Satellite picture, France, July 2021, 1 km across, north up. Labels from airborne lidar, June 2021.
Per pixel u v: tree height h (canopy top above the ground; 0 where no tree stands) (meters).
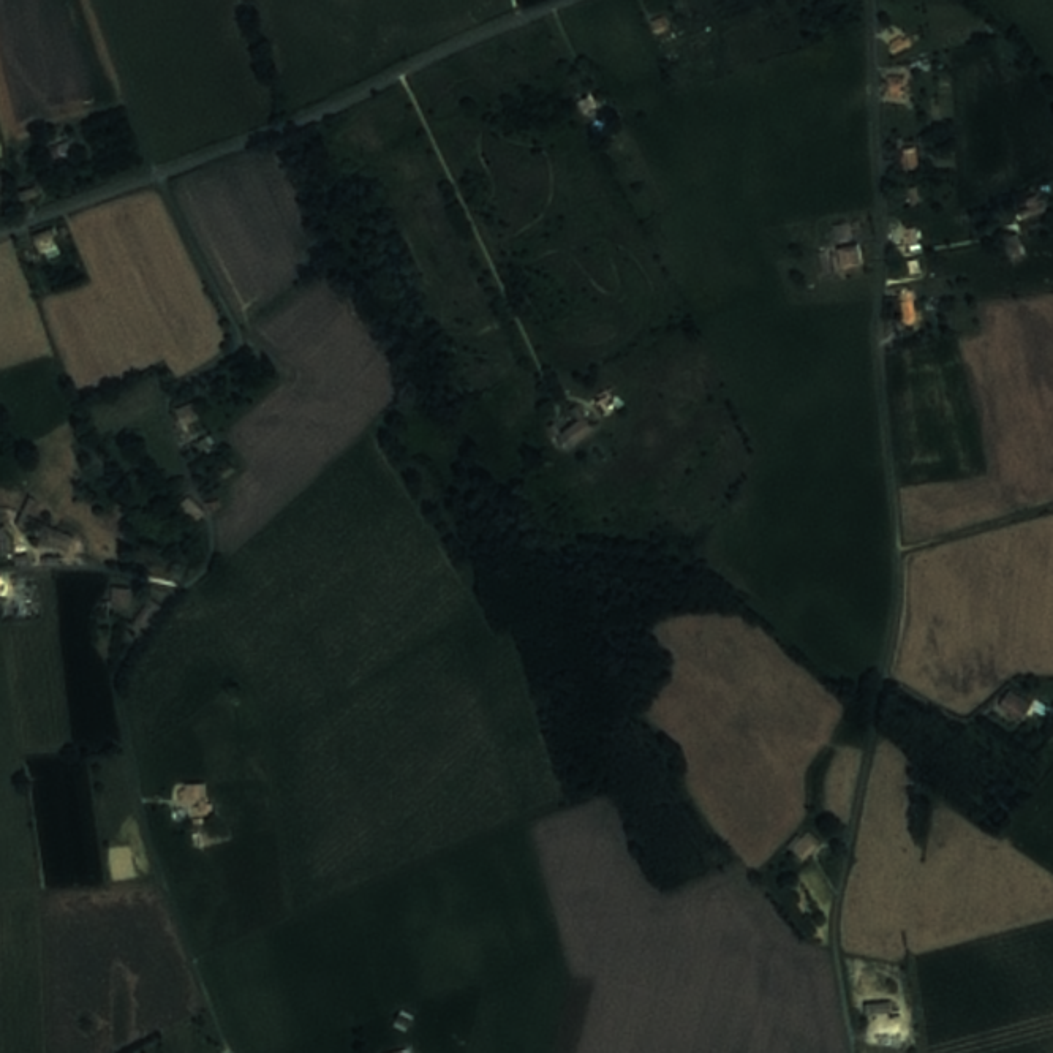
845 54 0
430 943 0
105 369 0
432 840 0
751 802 0
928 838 21
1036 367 0
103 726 0
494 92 0
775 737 0
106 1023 0
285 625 0
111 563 11
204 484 7
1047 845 0
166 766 0
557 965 0
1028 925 0
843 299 0
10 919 0
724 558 0
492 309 7
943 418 0
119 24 0
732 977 0
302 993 0
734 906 0
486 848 0
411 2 0
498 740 0
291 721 0
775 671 0
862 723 7
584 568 29
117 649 8
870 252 0
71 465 0
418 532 0
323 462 0
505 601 18
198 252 0
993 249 11
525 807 0
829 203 0
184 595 13
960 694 0
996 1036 0
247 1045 0
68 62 0
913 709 23
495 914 0
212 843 0
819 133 0
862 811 0
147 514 11
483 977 0
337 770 0
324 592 0
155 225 0
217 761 0
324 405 0
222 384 16
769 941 0
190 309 0
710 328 0
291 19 0
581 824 0
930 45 0
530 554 23
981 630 0
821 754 0
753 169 0
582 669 16
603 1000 0
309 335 0
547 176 0
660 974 0
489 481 27
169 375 13
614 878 0
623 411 8
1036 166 0
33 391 0
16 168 6
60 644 0
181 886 0
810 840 0
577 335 0
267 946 0
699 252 0
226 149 0
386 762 0
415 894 0
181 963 0
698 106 0
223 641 0
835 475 0
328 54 0
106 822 0
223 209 0
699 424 0
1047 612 0
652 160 0
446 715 0
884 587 0
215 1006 0
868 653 0
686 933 0
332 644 0
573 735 13
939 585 0
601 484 0
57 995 0
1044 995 0
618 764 29
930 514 0
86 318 0
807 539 0
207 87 0
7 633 0
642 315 0
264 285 0
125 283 0
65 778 0
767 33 0
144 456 10
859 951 0
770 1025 0
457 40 0
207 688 0
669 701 0
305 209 13
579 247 0
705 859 27
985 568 0
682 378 0
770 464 0
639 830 23
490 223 8
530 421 0
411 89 0
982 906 0
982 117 0
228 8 0
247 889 0
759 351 0
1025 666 0
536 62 0
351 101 0
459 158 0
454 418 28
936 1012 0
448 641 0
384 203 6
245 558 0
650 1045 0
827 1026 0
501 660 0
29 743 0
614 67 0
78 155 15
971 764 29
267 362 18
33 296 6
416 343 25
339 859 0
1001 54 0
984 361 0
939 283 0
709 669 0
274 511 0
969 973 0
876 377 0
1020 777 18
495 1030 0
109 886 0
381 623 0
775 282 0
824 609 0
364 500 0
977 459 0
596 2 0
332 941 0
